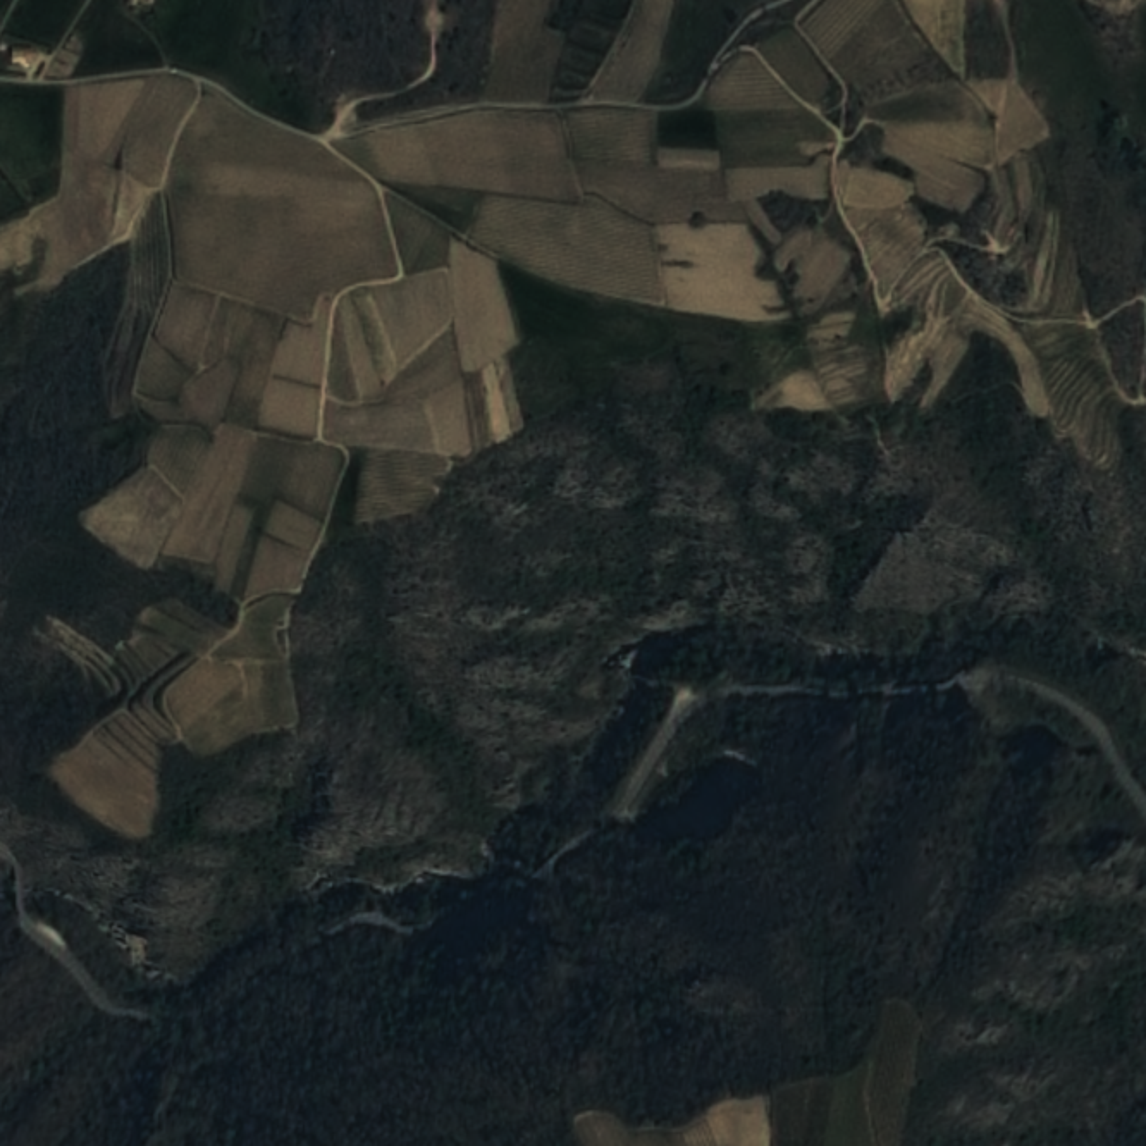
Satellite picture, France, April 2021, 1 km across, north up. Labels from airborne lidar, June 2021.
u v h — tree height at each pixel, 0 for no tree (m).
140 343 0
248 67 0
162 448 0
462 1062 16
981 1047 12
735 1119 0
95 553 9
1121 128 20
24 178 0
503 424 0
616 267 0
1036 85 0
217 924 11
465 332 0
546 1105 12
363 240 0
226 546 0
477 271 0
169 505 0
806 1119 0
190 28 0
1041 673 10
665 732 0
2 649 11
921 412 7
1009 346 0
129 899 8
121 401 0
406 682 10
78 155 0
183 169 0
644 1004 15
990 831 11
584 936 10
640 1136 0
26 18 0
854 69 0
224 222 0
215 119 0
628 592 6
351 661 9
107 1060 13
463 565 9
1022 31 0
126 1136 7
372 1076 10
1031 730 6
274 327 0
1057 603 7
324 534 0
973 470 8
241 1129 16
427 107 0
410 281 0
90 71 0
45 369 14
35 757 10
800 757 0
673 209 0
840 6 0
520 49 0
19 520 9
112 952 12
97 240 0
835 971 10
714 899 0
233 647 0
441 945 12
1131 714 13
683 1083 9
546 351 0
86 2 0
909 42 0
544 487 6
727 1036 8
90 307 9
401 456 0
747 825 7
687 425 7
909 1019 0
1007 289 6
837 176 0
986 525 7
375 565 7
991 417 11
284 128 0
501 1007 8
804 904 7
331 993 13
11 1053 8
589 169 0
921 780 7
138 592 8
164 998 14
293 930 18
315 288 0
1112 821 6
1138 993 7
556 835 11
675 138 0
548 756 12
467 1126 14
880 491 7
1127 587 7
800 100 0
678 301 0
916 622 9
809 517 9
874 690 0
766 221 0
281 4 19
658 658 7
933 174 0
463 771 11
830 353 0
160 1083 6
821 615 8
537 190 0
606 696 11
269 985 16
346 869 12
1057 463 7
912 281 0
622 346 0
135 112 0
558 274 0
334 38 7
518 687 9
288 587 0
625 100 0
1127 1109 14
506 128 0
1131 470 6
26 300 0
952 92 0
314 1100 16
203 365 0
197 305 0
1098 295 6
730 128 0
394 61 11
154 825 8
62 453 17
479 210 0
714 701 16
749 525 10
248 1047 19
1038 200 0
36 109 0
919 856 0
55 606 6
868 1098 0
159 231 0
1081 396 0
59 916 12
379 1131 15
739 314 0
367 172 0
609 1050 10
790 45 0
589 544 7
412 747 8
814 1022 7
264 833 8
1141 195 8
